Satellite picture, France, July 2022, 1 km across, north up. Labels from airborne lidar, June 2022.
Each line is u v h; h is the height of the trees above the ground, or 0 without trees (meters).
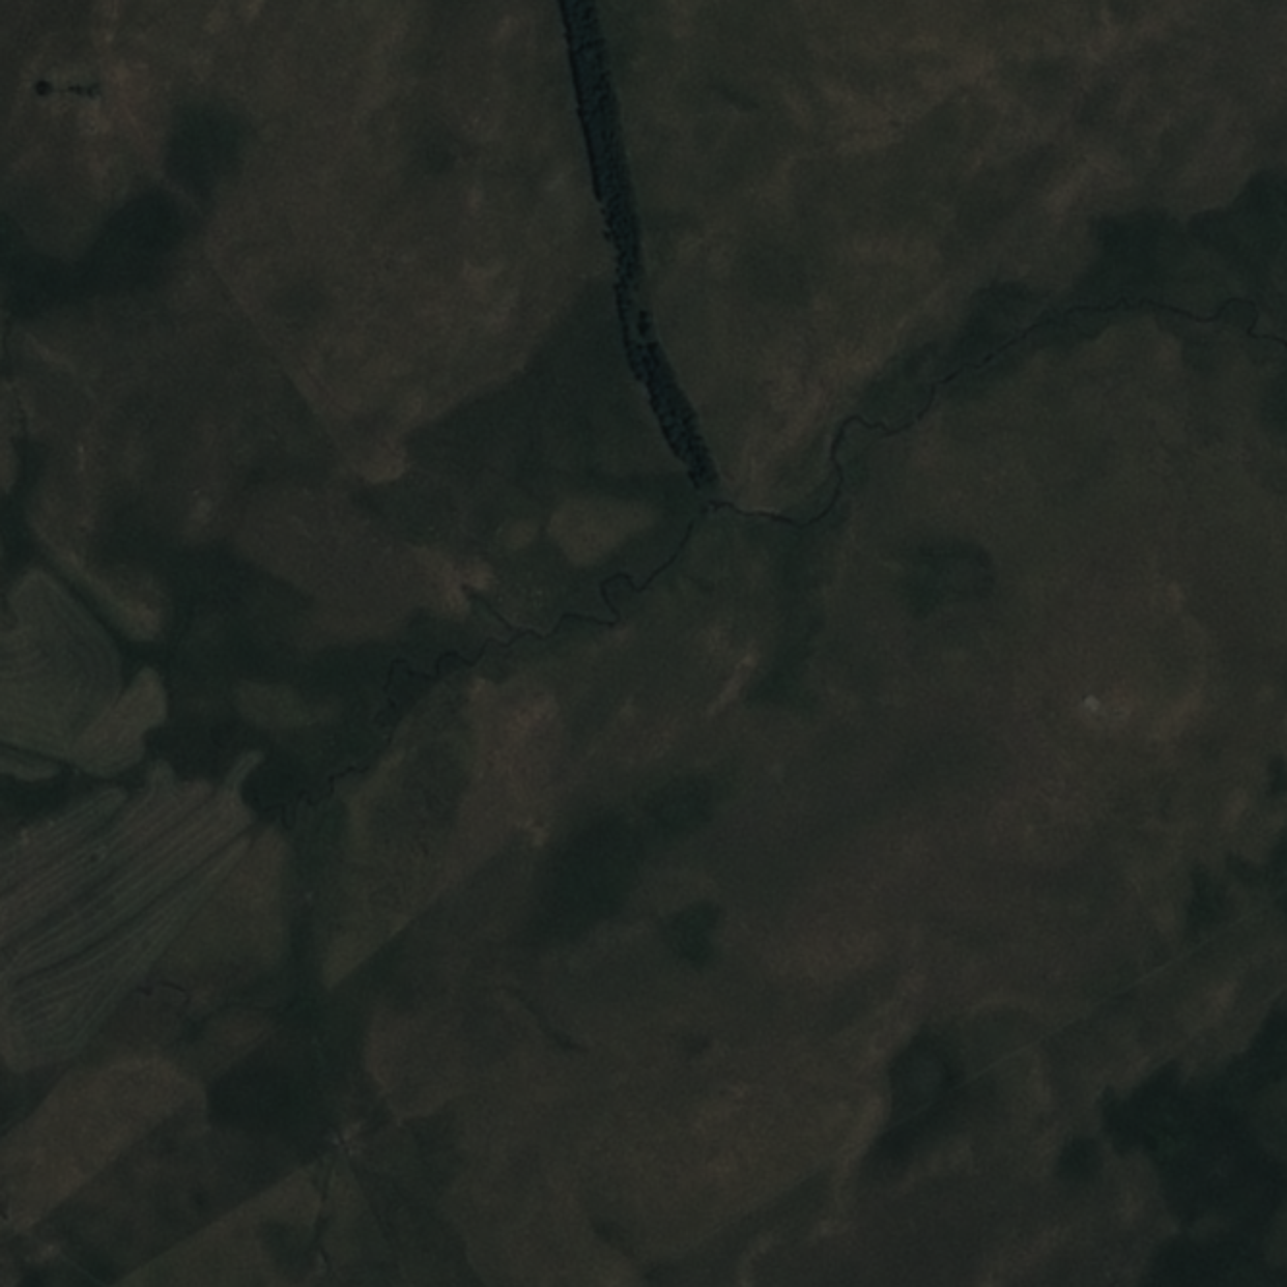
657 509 0
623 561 0
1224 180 0
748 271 0
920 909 0
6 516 0
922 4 0
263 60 0
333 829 0
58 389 0
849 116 0
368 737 0
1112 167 0
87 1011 0
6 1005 0
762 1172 0
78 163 0
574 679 0
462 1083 0
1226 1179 0
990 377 0
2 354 0
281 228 0
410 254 0
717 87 0
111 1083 0
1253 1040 0
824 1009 0
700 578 0
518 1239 0
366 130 0
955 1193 0
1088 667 0
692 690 0
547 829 0
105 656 0
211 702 0
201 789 0
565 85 0
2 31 0
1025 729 0
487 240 0
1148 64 0
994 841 0
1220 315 0
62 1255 0
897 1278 0
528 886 0
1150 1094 0
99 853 0
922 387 0
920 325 0
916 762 0
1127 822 0
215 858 0
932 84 0
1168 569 0
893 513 0
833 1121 0
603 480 0
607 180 16
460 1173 0
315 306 0
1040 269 0
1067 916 0
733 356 0
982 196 0
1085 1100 0
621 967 0
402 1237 0
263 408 0
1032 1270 0
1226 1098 0
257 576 0
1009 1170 0
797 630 0
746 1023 0
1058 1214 0
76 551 0
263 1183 0
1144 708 0
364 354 0
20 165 0
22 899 0
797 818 0
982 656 0
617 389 0
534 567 0
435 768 0
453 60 0
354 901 0
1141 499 0
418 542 0
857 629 0
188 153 0
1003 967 0
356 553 0
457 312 0
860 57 0
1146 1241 0
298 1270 0
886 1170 0
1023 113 0
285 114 0
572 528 0
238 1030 0
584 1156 0
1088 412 0
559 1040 0
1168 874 0
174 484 0
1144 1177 0
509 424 0
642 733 0
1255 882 0
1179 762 0
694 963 0
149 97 0
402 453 0
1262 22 0
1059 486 0
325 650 0
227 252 0
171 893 0
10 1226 0
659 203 0
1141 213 0
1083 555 0
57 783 0
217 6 0
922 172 0
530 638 0
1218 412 0
